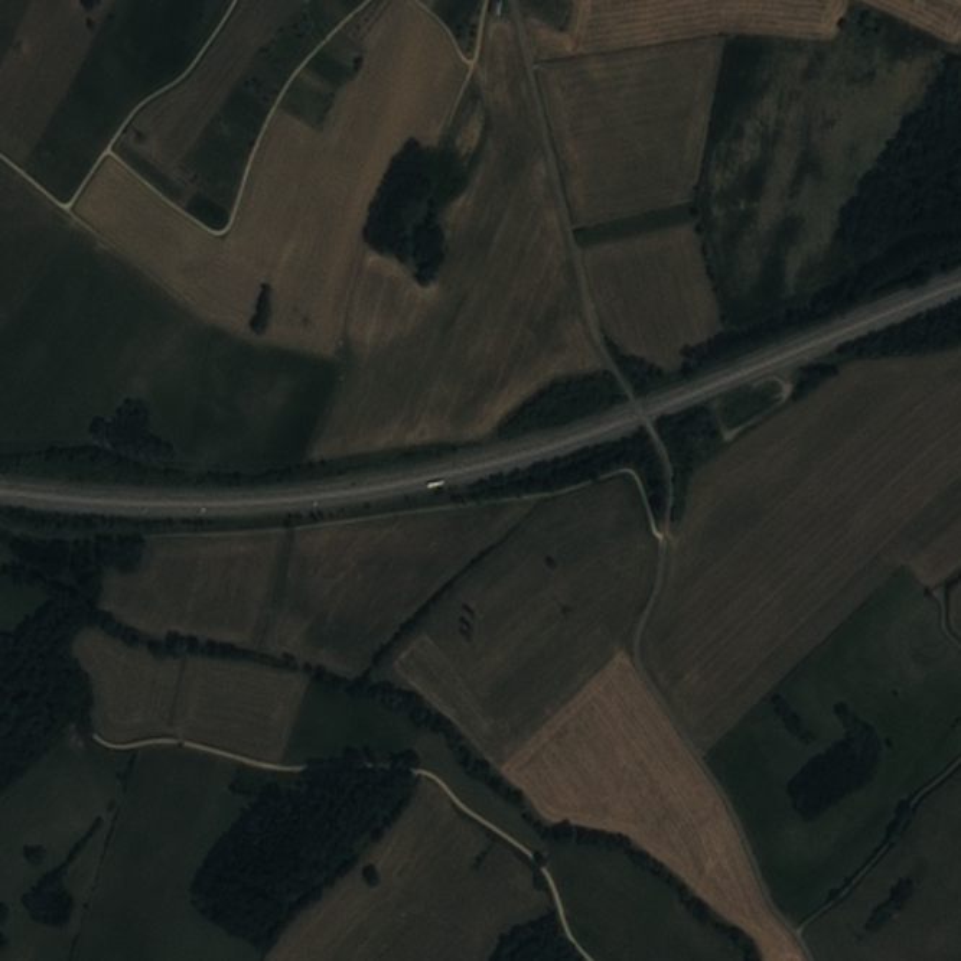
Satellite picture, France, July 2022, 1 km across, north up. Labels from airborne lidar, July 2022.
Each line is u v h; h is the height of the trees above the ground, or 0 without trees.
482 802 0
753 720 0
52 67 0
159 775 0
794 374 0
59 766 0
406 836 0
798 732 16
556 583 0
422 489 0
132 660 0
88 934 0
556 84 0
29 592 0
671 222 0
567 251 0
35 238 0
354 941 0
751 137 0
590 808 0
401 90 0
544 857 13
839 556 0
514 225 0
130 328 0
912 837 0
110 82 0
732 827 0
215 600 0
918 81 0
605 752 0
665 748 0
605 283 0
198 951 0
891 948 0
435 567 0
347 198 0
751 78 0
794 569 0
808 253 0
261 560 0
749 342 20
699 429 15
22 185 0
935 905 0
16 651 21
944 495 0
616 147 0
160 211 0
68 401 0
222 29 0
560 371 0
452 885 0
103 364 0
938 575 0
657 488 17
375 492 0
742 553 0
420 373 0
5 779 17
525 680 0
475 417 0
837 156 0
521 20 0
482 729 0
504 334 0
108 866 0
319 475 0
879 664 0
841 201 0
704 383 0
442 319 0
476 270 0
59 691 21
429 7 0
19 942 0
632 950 0
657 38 0
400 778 20
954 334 15
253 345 0
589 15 0
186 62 0
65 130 0
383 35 0
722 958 0
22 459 6
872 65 0
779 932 0
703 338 0
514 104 0
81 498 0
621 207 0
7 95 0
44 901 19
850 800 0
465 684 0
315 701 0
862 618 0
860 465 0
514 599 0
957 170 22
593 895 0
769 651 0
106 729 0
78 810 0
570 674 0
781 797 0
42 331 0
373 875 17
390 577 0
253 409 0
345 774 23
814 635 0
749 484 0
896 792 0
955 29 0
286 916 15
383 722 0
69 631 15
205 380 0
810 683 0
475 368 0
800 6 0
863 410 0
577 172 0
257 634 0
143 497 0
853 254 15
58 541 8
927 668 0
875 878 0
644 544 0
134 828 0
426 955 0
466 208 0
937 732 0
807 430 0
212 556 0
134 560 19
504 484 11
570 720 0
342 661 0
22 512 8
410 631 11
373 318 0
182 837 0
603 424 0
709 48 0
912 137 17
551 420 6
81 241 0
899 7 0
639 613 0
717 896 0
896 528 0
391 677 0
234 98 0
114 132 0
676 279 0
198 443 0
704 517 0
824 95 0
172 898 0
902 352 13
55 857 0
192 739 0
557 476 17
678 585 0
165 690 0
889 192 21
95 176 0
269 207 0
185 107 0
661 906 0
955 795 0
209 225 0
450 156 0
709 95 0
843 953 0
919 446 0
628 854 12
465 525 0
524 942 18
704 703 0
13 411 0
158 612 0
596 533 0
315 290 0
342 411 0
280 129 0
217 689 0
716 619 0
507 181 0
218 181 0
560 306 0
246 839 22
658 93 0
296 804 22
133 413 14
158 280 0
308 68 0
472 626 17
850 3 0
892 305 0
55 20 0
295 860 17
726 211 0
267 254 0
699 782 0
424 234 17
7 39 0
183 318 0
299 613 0
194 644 18
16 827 0
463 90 0
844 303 23
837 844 0
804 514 0
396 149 0
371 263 0
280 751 0
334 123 0
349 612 0
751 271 0
